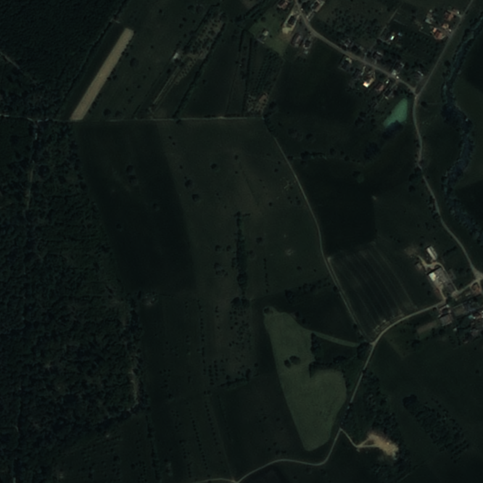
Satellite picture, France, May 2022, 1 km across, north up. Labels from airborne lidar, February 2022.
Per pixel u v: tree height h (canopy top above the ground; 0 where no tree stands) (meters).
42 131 16
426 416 16
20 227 26
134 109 0
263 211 0
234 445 0
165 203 0
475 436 0
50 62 22
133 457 0
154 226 0
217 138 0
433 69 0
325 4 0
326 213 0
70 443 27
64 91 11
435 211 8
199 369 0
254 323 0
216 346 0
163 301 0
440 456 0
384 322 0
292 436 0
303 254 0
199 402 0
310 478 0
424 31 0
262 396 0
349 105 0
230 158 0
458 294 0
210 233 0
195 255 0
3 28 24
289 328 0
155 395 0
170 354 0
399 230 0
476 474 0
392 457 0
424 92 0
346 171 0
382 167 0
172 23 0
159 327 0
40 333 28
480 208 0
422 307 0
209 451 0
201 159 0
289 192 0
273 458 0
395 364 0
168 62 0
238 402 0
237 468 0
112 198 0
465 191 0
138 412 16
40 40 21
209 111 0
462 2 0
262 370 0
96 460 0
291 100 0
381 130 0
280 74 0
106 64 0
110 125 0
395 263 0
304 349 0
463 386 0
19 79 26
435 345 0
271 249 0
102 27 14
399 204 0
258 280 0
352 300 0
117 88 0
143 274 0
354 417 15
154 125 0
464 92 0
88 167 0
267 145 0
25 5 24
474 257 0
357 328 13
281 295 0
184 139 0
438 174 0
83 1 20
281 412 0
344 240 0
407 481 0
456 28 0
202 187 0
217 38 11
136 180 14
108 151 0
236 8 0
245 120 0
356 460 0
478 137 0
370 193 0
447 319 0
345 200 0
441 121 0
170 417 0
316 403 0
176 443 0
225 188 0
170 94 0
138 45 0
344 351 0
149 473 0
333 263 0
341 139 0
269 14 0
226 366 0
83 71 8
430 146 0
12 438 29
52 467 23
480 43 0
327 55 0
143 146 0
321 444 0
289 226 0
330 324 0
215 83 0
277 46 0
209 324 0
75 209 11
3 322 26
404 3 0
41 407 31
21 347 24
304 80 0
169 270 0
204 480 0
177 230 0
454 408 0
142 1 0
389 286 0
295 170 0
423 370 0
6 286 28
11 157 9
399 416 0
